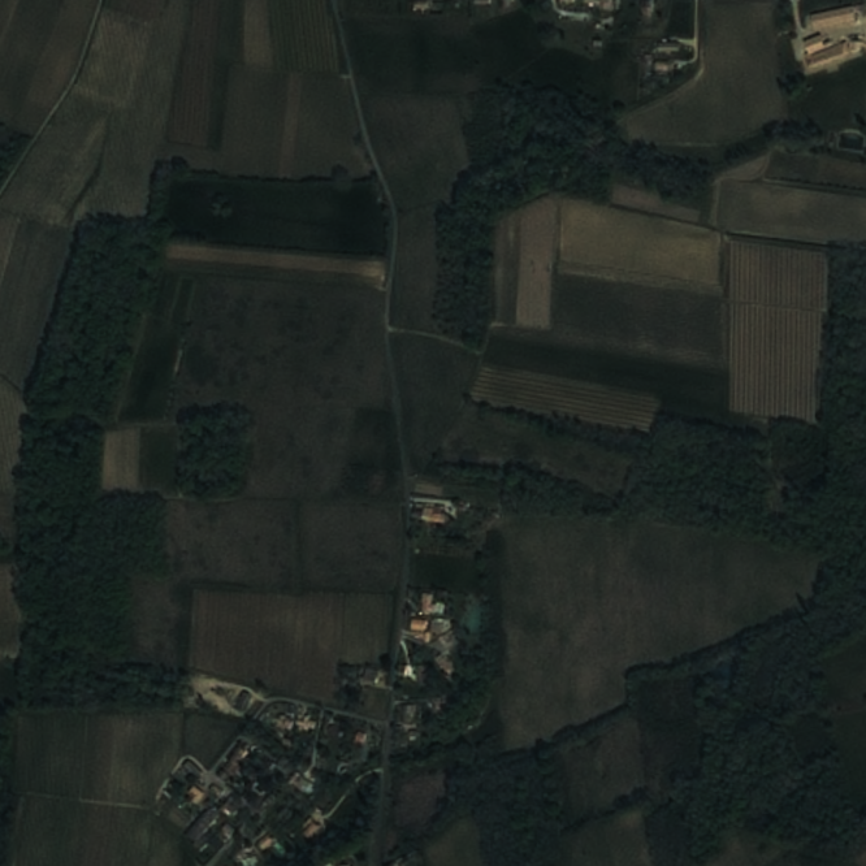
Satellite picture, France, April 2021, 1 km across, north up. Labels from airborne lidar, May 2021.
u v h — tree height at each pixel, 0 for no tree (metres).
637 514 12
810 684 10
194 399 0
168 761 0
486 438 0
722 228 0
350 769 6
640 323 0
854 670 0
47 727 0
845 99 0
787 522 14
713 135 0
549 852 19
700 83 0
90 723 0
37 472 17
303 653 0
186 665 0
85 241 20
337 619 0
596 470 0
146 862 0
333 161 0
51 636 17
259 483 0
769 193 0
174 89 0
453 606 6
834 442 15
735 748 23
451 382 0
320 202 0
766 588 0
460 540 14
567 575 0
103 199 0
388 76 0
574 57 0
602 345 0
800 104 0
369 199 0
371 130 0
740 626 0
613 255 0
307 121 0
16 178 0
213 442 21
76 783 0
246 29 0
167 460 0
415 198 0
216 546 0
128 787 0
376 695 0
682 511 18
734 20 0
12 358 0
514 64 0
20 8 0
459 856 0
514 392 0
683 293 0
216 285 0
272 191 0
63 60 0
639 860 0
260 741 13
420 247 0
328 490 0
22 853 0
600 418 0
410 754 6
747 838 0
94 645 13
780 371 0
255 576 0
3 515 0
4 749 19
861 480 18
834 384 17
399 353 0
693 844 14
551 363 0
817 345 0
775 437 10
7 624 0
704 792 19
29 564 20
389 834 0
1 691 0
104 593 17
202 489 22
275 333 0
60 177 0
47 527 16
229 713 0
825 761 12
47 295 0
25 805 0
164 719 0
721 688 16
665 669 15
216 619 0
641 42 0
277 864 15
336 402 0
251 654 0
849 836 12
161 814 0
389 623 0
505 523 0
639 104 0
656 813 8
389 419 0
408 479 0
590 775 0
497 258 11
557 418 10
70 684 8
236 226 0
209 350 0
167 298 0
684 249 0
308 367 0
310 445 0
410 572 0
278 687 0
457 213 16
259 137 0
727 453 19
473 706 22
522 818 26
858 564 23
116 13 0
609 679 0
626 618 0
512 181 8
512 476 18
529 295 0
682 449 17
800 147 24
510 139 16
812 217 0
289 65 0
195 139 0
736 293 0
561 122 21
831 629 18
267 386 0
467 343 14
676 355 0
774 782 19
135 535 18
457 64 0
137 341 14
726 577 0
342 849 22
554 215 0
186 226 0
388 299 0
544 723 0
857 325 13
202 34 0
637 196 0
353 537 0
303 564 0
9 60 0
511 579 0
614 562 0
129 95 0
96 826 0
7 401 0
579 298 0
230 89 0
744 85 0
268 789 12
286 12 0
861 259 14
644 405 0
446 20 0
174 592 0
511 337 0
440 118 0
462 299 9
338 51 0
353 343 0
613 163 17
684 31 0
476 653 7
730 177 0
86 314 22
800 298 0
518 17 0
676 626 0
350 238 0
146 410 0
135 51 0
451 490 0
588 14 0
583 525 0
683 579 0
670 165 13
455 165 0
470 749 19
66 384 16
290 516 0
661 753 0
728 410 0
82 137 0
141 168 0
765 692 11
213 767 0
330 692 0
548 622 0
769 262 0
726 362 0
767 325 0
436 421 0
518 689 0
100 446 19
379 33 0
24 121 0
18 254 0
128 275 18
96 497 19
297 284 0
